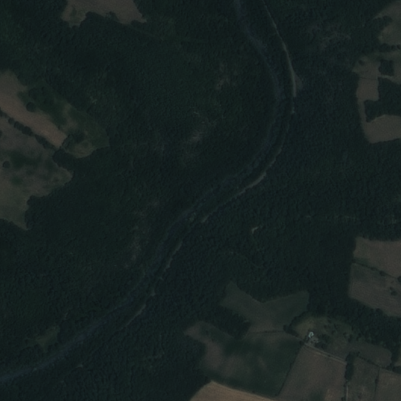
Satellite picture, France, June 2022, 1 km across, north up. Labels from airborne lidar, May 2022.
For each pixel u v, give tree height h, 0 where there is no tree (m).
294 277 20
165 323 15
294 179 15
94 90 13
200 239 23
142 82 15
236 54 15
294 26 11
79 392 8
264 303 11
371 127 0
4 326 16
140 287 17
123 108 16
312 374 0
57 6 12
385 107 17
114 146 17
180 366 24
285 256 19
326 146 11
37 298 20
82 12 0
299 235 14
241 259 7
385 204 13
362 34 15
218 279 15
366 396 0
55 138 0
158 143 7
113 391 12
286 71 21
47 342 0
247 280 15
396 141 16
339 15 13
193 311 11
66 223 21
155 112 11
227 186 10
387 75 10
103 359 24
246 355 0
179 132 14
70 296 11
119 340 20
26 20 21
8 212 0
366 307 14
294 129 19
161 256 15
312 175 10
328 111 7
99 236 24
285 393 0
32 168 0
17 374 0
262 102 21
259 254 21
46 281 28
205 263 18
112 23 18
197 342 13
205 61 18
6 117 11
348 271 15
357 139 19
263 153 13
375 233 18
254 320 0
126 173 26
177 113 16
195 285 19
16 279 23
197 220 20
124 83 20
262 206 22
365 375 0
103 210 24
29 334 22
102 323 0
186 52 11
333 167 8
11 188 0
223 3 43
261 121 27
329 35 10
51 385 20
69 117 0
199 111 8
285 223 14
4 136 0
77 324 19
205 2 16
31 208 7
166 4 24
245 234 15
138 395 11
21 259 15
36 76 7
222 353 0
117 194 11
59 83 16
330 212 17
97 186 11
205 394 0
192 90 15
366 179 9
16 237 22
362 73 0
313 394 0
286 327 15
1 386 20
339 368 0
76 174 16
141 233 6
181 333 14
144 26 18
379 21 15
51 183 0
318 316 7
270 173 12
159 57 16
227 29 27
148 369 15
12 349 25
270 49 27
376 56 0
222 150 24
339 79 9
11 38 13
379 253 0
